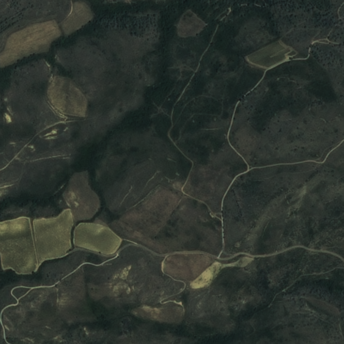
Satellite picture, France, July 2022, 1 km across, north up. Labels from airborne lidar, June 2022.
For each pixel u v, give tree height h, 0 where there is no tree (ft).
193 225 0
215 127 0
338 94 0
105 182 0
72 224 0
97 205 0
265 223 0
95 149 19
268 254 0
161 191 0
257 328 0
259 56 0
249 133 0
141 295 0
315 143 0
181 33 0
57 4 0
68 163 0
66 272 0
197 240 0
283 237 0
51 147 0
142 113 33
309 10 31
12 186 0
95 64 0
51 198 22
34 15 0
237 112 0
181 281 0
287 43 0
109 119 0
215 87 0
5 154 0
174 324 0
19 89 0
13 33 0
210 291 0
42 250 0
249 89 0
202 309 0
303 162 0
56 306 0
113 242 0
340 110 0
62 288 0
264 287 21
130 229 0
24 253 0
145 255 0
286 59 0
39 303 0
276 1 60
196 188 0
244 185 19
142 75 0
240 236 0
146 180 0
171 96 23
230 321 0
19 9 28
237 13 24
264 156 0
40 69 0
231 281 0
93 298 0
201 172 0
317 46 31
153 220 0
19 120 0
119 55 0
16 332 0
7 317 0
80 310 0
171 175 0
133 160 0
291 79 0
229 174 0
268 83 0
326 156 0
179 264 0
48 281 0
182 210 0
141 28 39
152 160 0
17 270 0
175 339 0
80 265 0
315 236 0
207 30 20
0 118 0
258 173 0
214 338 32
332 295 44
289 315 0
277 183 0
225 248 0
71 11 0
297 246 0
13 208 0
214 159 0
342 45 41
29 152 0
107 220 0
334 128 0
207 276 0
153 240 0
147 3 39
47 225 0
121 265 0
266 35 0
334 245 0
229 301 0
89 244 0
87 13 0
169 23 25
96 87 0
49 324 0
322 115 0
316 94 0
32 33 0
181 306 0
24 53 0
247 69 0
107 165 0
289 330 0
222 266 0
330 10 25
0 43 0
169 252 0
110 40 0
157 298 0
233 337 23
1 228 0
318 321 25
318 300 0
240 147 0
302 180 0
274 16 27
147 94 36
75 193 0
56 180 0
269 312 0
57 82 0
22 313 0
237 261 0
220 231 0
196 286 0
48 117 0
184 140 0
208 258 0
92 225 0
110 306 0
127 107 0
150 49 0
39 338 0
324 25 22
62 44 35
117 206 0
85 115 0
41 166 0
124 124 22
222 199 0
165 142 0
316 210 0
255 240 0
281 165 0
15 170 0
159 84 23
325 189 0
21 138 0
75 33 25
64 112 0
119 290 0
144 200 0
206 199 0
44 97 0
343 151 0
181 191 0
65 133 0
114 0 38
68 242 0
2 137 0
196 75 30
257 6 23
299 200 0
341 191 0
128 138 0
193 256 0
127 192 0
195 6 39
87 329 0
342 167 0
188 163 0
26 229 0
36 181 0
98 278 0
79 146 0
